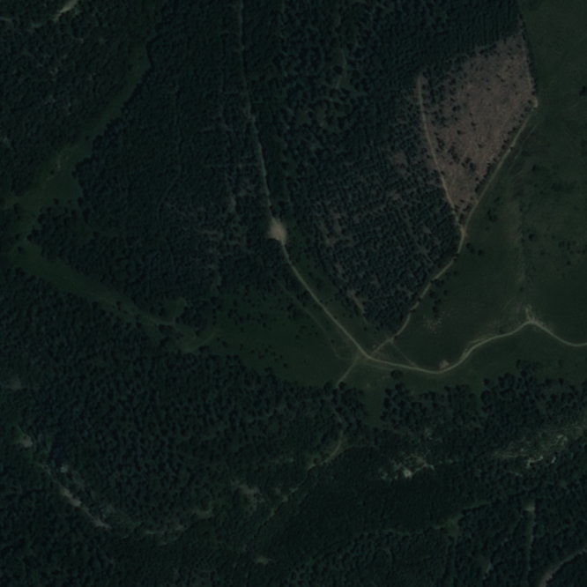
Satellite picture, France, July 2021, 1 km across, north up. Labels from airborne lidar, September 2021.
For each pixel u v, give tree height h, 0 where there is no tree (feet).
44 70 88
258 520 49
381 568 68
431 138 0
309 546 57
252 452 33
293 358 0
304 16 52
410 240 55
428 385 0
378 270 52
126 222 68
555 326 0
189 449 44
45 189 0
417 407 71
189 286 85
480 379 0
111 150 72
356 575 37
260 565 53
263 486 40
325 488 44
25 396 37
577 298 0
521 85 0
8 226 60
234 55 62
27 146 100
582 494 50
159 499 33
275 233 0
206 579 20
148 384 53
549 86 0
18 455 68
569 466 66
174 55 35
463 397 37
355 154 69
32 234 27
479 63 0
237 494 59
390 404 66
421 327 0
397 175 58
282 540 57
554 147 0
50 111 100
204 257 65
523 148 0
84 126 90
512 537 54
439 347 0
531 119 0
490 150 0
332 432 60
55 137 64
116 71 119
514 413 29
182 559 42
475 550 46
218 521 38
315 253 38
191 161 60
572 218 0
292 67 112
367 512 46
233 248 50
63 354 63
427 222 51
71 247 63
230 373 18
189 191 76
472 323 0
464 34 65
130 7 45
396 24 58
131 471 87
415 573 74
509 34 47
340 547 51
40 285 70
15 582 117
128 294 34
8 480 102
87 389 76
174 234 52
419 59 62
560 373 0
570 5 0
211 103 45
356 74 48
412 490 60
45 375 42
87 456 26
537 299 0
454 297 0
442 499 56
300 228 31
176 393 34
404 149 54
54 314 70
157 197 71
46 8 48
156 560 49
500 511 60
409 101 44
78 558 45
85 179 75
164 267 63
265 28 58
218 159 53
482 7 78
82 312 99
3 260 73
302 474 45
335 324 0
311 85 22
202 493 38
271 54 49
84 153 0
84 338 67
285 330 0
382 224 62
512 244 0
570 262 24
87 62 80
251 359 0
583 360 0
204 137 56
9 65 74
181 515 32
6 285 59
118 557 39
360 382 0
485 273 0
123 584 83
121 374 72
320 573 61
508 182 0
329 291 0
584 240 0
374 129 53
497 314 0
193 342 0
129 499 55
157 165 63
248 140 68
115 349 64
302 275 0
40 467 30
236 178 31
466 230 0
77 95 85
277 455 29
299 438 41
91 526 81
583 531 47
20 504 42
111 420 40
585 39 0
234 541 48
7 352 56
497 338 0
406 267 53
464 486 61
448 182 0
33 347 58
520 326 0
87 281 0
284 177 27
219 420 26
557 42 0
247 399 23
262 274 76
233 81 69
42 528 36
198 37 70
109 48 94
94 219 88
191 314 65
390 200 58
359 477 41
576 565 55
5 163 73
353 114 73
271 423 21
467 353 0
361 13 31
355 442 36
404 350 0
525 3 0
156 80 55
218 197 58
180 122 74
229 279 64
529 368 48
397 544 44
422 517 40
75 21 93
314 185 73
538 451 39
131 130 70
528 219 0
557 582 45
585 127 0
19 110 96
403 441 23
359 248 57
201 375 50
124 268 61
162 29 78
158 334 0
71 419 52
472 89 0
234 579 32
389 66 75
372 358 0
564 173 0
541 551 49
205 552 30
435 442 25
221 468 26
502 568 53
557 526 26
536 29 0
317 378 0
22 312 83
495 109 0
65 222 27
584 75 0
